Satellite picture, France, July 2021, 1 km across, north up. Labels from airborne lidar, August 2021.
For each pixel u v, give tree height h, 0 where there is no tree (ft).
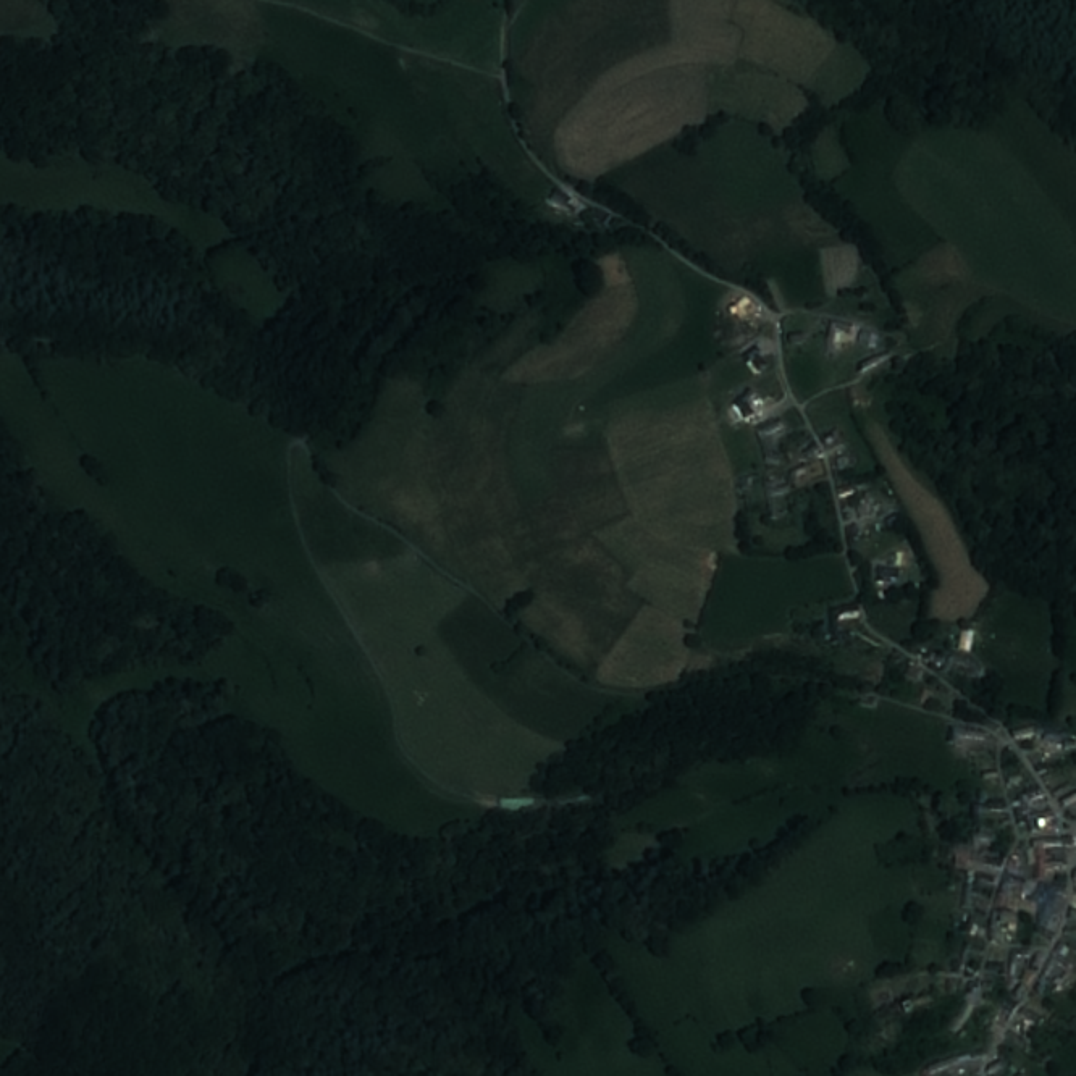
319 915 95
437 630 0
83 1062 68
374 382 19
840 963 0
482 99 0
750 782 0
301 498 0
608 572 0
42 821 80
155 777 88
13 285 85
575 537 0
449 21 0
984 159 0
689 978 0
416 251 74
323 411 95
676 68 0
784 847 57
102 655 64
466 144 0
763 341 0
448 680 0
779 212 0
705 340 0
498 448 0
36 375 46
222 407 0
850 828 0
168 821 88
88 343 59
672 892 73
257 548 0
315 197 65
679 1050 0
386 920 88
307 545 0
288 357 85
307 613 0
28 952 83
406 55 0
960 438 105
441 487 0
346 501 0
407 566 0
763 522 31
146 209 0
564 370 0
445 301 48
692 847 0
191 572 0
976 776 0
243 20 0
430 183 23
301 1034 77
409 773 0
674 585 0
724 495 0
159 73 71
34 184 0
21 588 101
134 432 0
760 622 0
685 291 0
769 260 0
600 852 84
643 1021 28
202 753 52
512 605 45
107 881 85
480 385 0
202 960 78
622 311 0
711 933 0
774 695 24
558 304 0
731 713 84
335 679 0
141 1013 91
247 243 60
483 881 86
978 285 0
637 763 73
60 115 56
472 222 36
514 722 0
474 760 0
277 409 70
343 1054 80
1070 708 0
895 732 0
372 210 65
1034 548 84
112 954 80
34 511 78
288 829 75
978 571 44
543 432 0
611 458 0
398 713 0
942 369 23
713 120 27
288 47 0
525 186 0
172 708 56
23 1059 66
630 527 0
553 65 0
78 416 0
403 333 36
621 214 47
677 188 0
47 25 0
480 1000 30
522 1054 26
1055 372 60
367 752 0
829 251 0
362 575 0
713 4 0
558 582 0
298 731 0
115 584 89
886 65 58
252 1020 95
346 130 32
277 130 69
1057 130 52
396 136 0
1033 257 0
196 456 0
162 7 57
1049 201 0
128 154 32
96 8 69
